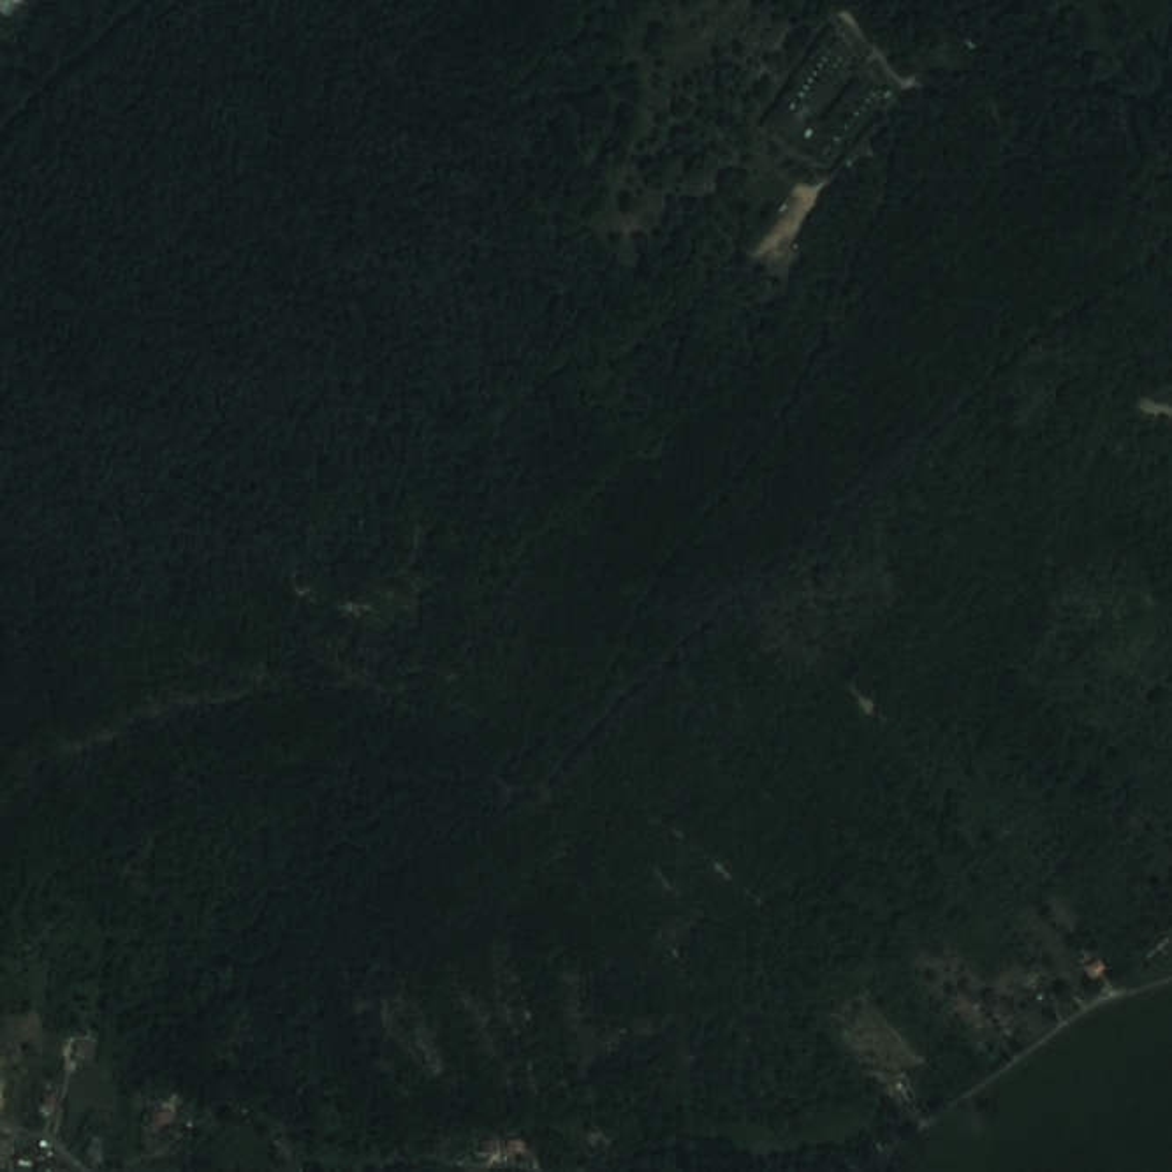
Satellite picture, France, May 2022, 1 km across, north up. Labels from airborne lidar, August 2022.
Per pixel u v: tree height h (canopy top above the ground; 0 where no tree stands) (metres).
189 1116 18
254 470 18
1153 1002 0
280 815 13
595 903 12
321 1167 9
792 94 12
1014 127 9
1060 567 12
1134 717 6
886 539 20
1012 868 7
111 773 16
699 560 17
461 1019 12
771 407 10
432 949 11
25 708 12
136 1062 8
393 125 15
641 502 14
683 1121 7
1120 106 33
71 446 16
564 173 18
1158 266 18
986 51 23
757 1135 0
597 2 18
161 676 12
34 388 18
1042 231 19
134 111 20
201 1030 20
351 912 18
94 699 10
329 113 18
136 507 16
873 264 14
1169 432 11
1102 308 15
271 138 19
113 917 14
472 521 13
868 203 13
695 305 14
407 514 18
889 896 9
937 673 14
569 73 17
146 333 17
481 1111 14
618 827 11
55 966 8
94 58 22
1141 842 15
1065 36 22
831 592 22
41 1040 0
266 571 9
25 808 18
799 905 13
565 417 15
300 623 9
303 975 11
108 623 9
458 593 15
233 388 17
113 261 19
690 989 14
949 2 22
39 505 17
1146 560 15
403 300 21
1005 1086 0
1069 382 12
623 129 20
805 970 15
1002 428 14
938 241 15
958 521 12
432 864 13
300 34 19
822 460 17
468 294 20
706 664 20
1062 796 6
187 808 16
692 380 15
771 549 16
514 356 18
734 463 11
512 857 12
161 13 23
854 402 16
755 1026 13
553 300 19
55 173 23
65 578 14
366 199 16
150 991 6
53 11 18
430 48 19
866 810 15
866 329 16
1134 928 7
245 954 21
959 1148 0
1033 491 14
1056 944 0
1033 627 21
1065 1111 0
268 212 18
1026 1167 0
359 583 6
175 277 16
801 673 12
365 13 16
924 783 13
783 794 14
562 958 8
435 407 21
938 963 0
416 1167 12
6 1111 0
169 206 19
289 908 20
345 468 22
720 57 12
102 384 15
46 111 22
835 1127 0
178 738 14
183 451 12
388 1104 14
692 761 11
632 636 16
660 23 14
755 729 14
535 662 18
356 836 18
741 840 8
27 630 12
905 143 15
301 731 17
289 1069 14
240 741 17
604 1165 6
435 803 20
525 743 17
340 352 21
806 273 11
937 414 19
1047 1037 0
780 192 0
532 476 11
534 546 15
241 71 16
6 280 21
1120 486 13
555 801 9
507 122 23
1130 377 14
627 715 15
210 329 18
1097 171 18
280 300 16
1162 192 20
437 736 14
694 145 11
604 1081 12
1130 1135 0
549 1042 10
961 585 12
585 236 13
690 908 10
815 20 11
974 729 6
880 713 10
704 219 13
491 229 19
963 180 16
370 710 13
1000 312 16
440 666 7
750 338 15
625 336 14
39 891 11
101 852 20
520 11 20
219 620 13
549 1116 13
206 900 19
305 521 15
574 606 16
